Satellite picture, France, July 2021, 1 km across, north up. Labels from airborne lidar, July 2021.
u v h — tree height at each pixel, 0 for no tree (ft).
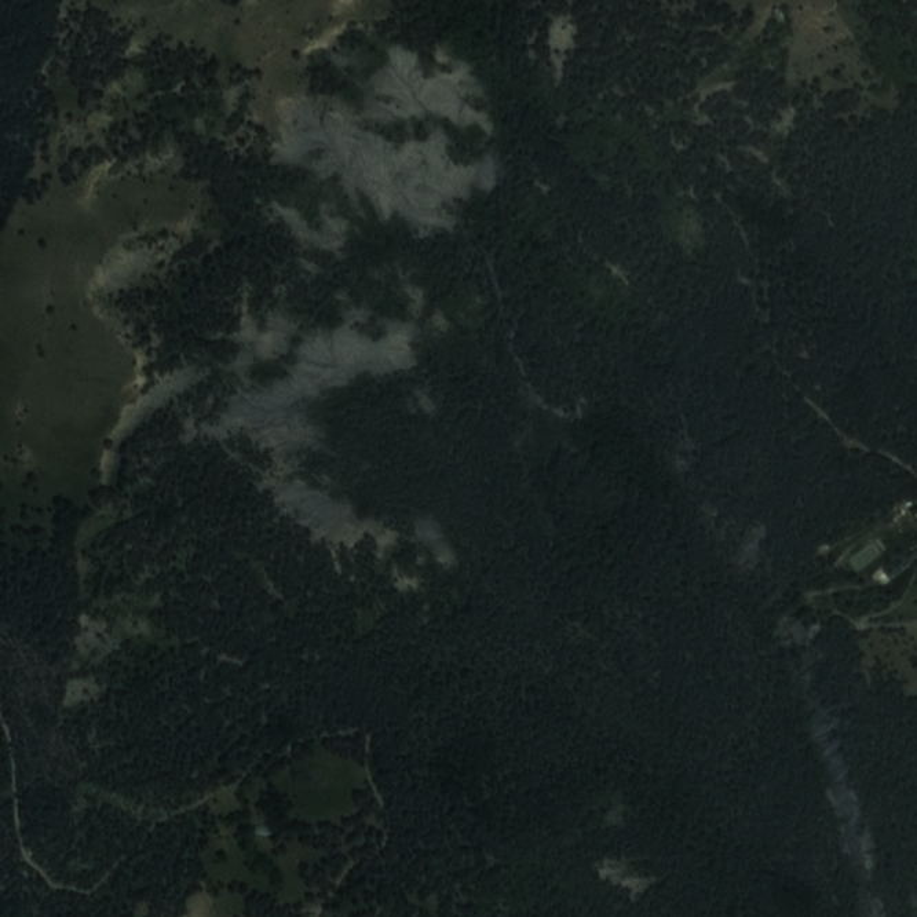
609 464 46
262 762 29
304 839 44
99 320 0
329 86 30
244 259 45
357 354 0
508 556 41
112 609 20
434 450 24
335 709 56
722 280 61
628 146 30
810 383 45
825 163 41
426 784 57
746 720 35
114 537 20
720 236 24
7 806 34
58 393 0
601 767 33
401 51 0
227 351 29
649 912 29
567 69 37
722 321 54
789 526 34
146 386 22
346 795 0
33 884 24
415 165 0
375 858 41
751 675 39
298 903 31
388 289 24
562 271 33
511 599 31
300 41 0
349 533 0
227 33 0
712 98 34
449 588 29
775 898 52
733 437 55
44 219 0
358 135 0
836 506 41
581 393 47
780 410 54
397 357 0
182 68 53
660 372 56
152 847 47
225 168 57
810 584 30
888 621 19
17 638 38
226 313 31
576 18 21
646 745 29
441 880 47
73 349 0
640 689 23
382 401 28
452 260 40
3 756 39
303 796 0
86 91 46
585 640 22
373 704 47
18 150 28
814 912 58
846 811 0
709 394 52
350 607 42
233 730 37
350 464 18
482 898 30
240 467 21
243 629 41
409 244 34
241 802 37
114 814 25
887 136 27
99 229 0
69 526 51
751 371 50
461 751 33
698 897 46
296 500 0
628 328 28
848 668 43
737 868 57
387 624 36
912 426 46
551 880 23
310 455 18
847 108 42
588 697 32
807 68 0
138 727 45
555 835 48
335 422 24
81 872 22
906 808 49
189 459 33
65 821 26
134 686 46
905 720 45
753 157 21
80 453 0
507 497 30
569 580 57
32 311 0
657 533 56
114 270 0
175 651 34
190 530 21
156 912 32
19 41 43
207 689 41
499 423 42
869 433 49
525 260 45
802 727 24
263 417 0
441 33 45
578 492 50
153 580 25
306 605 28
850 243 45
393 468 29
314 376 0
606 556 43
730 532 27
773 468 29
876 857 22
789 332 40
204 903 0
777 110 23
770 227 50
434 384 25
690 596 26
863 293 48
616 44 45
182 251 21
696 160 22
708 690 46
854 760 29
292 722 64
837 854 32
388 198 0
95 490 38
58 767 26
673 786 27
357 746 52
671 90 34
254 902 41
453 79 0
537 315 50
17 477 0
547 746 47
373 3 0
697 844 35
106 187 0
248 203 33
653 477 40
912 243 42
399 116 0
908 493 53
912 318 35
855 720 33
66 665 25
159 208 0
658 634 32
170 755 41
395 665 40
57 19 24
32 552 31
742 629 36
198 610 44
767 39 33
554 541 27
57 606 38
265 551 26
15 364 0
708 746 30
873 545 0
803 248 51
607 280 24
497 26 21
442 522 37
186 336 37
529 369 53
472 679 33
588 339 48
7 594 44
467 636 37
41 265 0
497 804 51
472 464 25
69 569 27
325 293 41
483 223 33
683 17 30
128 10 0
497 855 42
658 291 46
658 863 35
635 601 57
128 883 35
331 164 0
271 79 0
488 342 28
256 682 37
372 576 35
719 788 39
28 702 29
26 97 21
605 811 43
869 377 48
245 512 39
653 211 46
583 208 55
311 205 20
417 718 22
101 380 0
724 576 37
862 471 47
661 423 26
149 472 43
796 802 46
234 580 35
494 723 26
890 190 37
